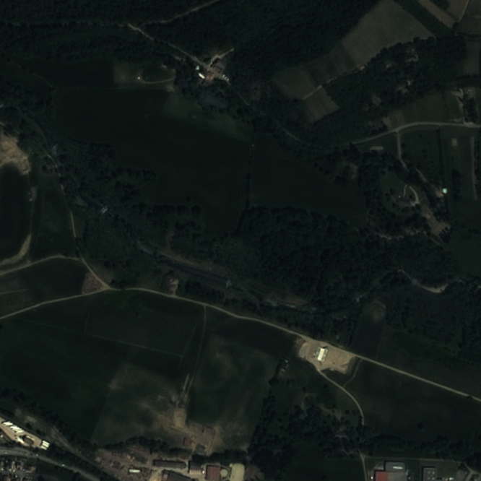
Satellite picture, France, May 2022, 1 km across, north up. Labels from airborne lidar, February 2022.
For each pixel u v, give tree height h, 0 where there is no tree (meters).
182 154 0
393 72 8
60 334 0
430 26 10
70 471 6
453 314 0
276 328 0
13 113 18
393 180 0
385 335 0
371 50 0
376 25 0
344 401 0
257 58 14
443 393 0
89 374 0
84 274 0
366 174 14
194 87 18
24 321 0
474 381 0
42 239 0
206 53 10
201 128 0
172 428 0
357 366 0
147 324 0
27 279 0
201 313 0
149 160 0
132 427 0
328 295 8
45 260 0
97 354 0
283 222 26
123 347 0
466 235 17
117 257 13
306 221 26
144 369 0
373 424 0
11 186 0
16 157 0
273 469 33
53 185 0
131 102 0
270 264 16
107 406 0
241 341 0
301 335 0
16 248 0
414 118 0
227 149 0
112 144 0
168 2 15
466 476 0
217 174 0
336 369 0
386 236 13
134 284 0
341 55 0
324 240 24
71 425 0
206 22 16
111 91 0
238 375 0
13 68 0
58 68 0
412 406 0
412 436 0
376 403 0
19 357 0
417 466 0
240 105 13
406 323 20
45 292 0
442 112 0
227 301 10
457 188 17
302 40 13
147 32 16
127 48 26
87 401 0
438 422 0
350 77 11
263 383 0
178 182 0
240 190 0
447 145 0
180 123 0
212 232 0
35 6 15
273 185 0
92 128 0
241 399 0
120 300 0
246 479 0
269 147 0
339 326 12
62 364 0
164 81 0
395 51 17
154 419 0
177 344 0
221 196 0
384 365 0
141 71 0
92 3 16
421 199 0
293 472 0
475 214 0
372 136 11
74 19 13
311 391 0
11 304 0
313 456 0
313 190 0
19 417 0
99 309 0
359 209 0
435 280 13
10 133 19
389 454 0
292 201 0
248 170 0
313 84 0
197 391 0
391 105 14
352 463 0
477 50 0
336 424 9
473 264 0
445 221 15
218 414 0
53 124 15
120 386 0
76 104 0
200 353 0
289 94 0
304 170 0
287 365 0
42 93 0
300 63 8
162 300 0
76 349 0
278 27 13
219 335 0
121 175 22
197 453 0
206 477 0
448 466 0
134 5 16
